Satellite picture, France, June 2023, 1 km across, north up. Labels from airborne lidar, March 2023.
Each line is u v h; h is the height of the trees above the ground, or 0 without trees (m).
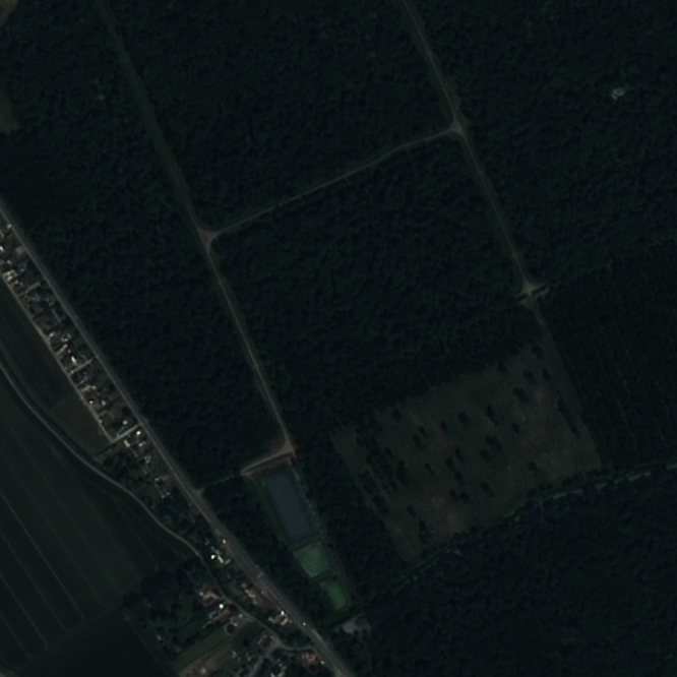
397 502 0
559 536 25
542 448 0
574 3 14
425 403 0
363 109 22
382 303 22
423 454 0
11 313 0
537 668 22
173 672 0
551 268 21
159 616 16
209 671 0
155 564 0
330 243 21
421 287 23
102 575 0
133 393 7
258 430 24
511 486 0
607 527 23
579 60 27
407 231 25
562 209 20
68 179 21
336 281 24
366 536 26
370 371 10
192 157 25
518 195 24
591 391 14
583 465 0
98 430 0
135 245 19
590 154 27
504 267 22
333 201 17
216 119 27
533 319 16
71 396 0
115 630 0
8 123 0
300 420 22
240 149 20
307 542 0
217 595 7
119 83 24
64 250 20
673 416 14
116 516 0
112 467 13
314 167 25
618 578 26
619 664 22
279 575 16
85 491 0
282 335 26
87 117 19
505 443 0
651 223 21
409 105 16
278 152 25
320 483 16
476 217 24
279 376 19
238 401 25
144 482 11
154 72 21
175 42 23
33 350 0
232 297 0
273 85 23
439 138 0
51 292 8
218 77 25
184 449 25
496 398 0
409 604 27
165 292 23
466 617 15
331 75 25
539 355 16
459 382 0
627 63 23
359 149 23
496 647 20
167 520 13
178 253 24
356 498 17
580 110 20
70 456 0
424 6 16
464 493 0
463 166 22
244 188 21
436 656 22
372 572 23
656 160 27
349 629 0
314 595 9
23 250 0
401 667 19
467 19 22
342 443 0
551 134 24
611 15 24
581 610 25
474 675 24
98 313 19
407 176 15
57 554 0
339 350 26
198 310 12
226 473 16
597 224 21
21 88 13
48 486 0
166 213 17
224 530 0
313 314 21
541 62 23
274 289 24
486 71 24
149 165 23
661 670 25
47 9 17
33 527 0
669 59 26
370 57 24
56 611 0
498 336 15
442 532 0
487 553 15
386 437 0
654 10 22
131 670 0
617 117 17
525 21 29
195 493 0
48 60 20
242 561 0
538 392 0
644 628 25
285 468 0
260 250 22
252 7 25
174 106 24
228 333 25
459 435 0
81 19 20
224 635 0
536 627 33
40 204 25
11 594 0
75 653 0
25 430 0
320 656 0
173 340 12
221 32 23
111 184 20
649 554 25
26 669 0
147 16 22
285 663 9
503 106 23
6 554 0
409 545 0
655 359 16
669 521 22
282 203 0
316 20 29
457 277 27
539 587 20
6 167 23
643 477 0
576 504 26
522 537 21
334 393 12
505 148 24
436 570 15
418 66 26
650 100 23
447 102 0
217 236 0
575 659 25
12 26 15
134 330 19
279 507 0
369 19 24
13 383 0
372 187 18
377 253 20
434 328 18
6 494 0
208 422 24
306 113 23
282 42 24
